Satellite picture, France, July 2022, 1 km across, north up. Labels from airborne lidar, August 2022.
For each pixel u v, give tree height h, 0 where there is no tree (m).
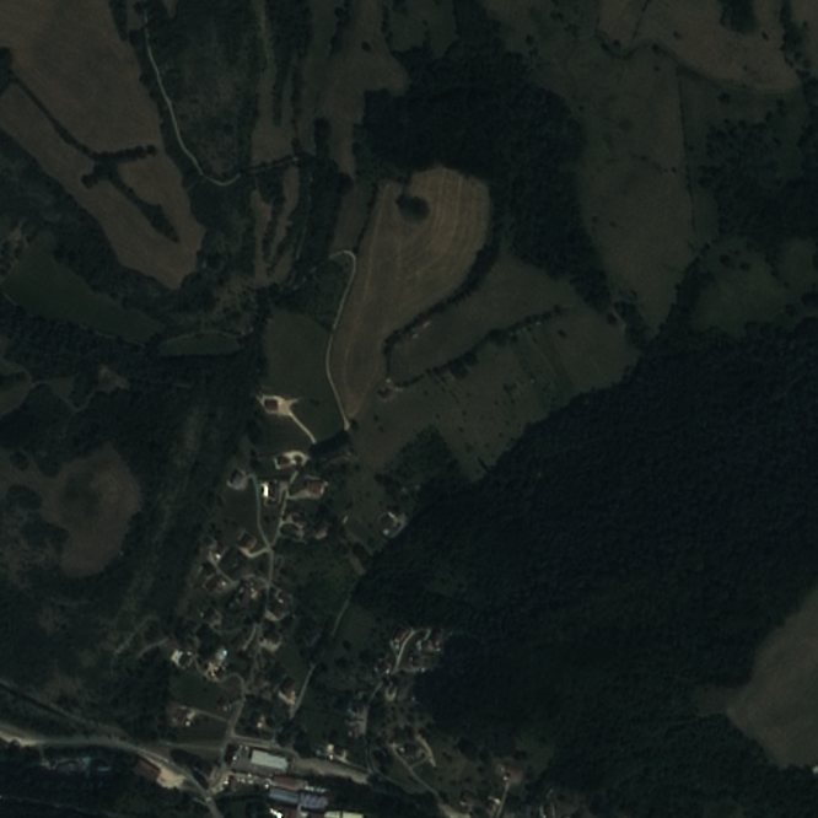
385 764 6
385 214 0
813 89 9
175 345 0
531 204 25
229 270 6
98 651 0
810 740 0
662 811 17
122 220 0
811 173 22
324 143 14
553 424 15
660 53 9
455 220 0
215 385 8
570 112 11
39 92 0
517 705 17
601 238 0
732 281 0
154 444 16
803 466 21
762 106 0
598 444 18
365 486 0
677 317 7
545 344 0
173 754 10
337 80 0
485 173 19
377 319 0
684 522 28
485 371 0
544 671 20
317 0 0
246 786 0
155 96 10
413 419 0
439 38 0
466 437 0
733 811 0
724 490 30
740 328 0
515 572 18
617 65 0
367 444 0
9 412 0
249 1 6
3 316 17
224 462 6
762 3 0
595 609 15
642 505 26
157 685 11
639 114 0
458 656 25
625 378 10
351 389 0
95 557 0
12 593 6
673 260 0
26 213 5
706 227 0
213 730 0
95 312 0
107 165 17
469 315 0
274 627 13
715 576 22
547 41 0
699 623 21
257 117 11
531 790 13
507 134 23
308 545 7
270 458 0
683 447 20
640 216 0
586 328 0
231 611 6
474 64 13
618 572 23
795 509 30
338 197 6
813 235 13
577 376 0
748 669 15
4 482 0
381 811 21
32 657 8
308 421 0
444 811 0
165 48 6
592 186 0
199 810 6
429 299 0
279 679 11
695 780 16
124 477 0
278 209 6
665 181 0
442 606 14
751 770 16
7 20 0
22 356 6
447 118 25
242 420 7
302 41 7
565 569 27
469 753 19
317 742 0
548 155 21
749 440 16
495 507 15
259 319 11
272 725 8
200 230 0
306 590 6
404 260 0
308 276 7
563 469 18
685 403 19
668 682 8
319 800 0
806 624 0
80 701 8
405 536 18
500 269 0
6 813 12
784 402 24
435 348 0
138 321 0
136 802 0
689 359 25
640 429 23
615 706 6
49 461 8
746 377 11
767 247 16
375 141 5
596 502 18
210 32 0
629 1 0
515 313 0
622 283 0
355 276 0
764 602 23
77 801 20
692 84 0
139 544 8
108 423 6
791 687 0
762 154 21
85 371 10
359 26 0
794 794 20
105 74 0
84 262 6
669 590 22
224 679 0
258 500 0
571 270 7
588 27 0
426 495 15
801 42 7
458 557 5
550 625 8
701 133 0
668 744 7
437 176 0
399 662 0
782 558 23
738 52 0
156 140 0
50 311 0
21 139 0
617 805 14
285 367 0
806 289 0
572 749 14
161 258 0
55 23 0
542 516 21
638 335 13
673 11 0
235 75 0
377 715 12
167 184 0
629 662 8
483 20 20
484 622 18
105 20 0
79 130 0
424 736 15
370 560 15
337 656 0
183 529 8
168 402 10
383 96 15
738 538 22
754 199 11
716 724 14
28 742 0
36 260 0
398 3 12
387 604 7
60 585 9
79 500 0
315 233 10
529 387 0
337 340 0
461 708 26
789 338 28
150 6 8
